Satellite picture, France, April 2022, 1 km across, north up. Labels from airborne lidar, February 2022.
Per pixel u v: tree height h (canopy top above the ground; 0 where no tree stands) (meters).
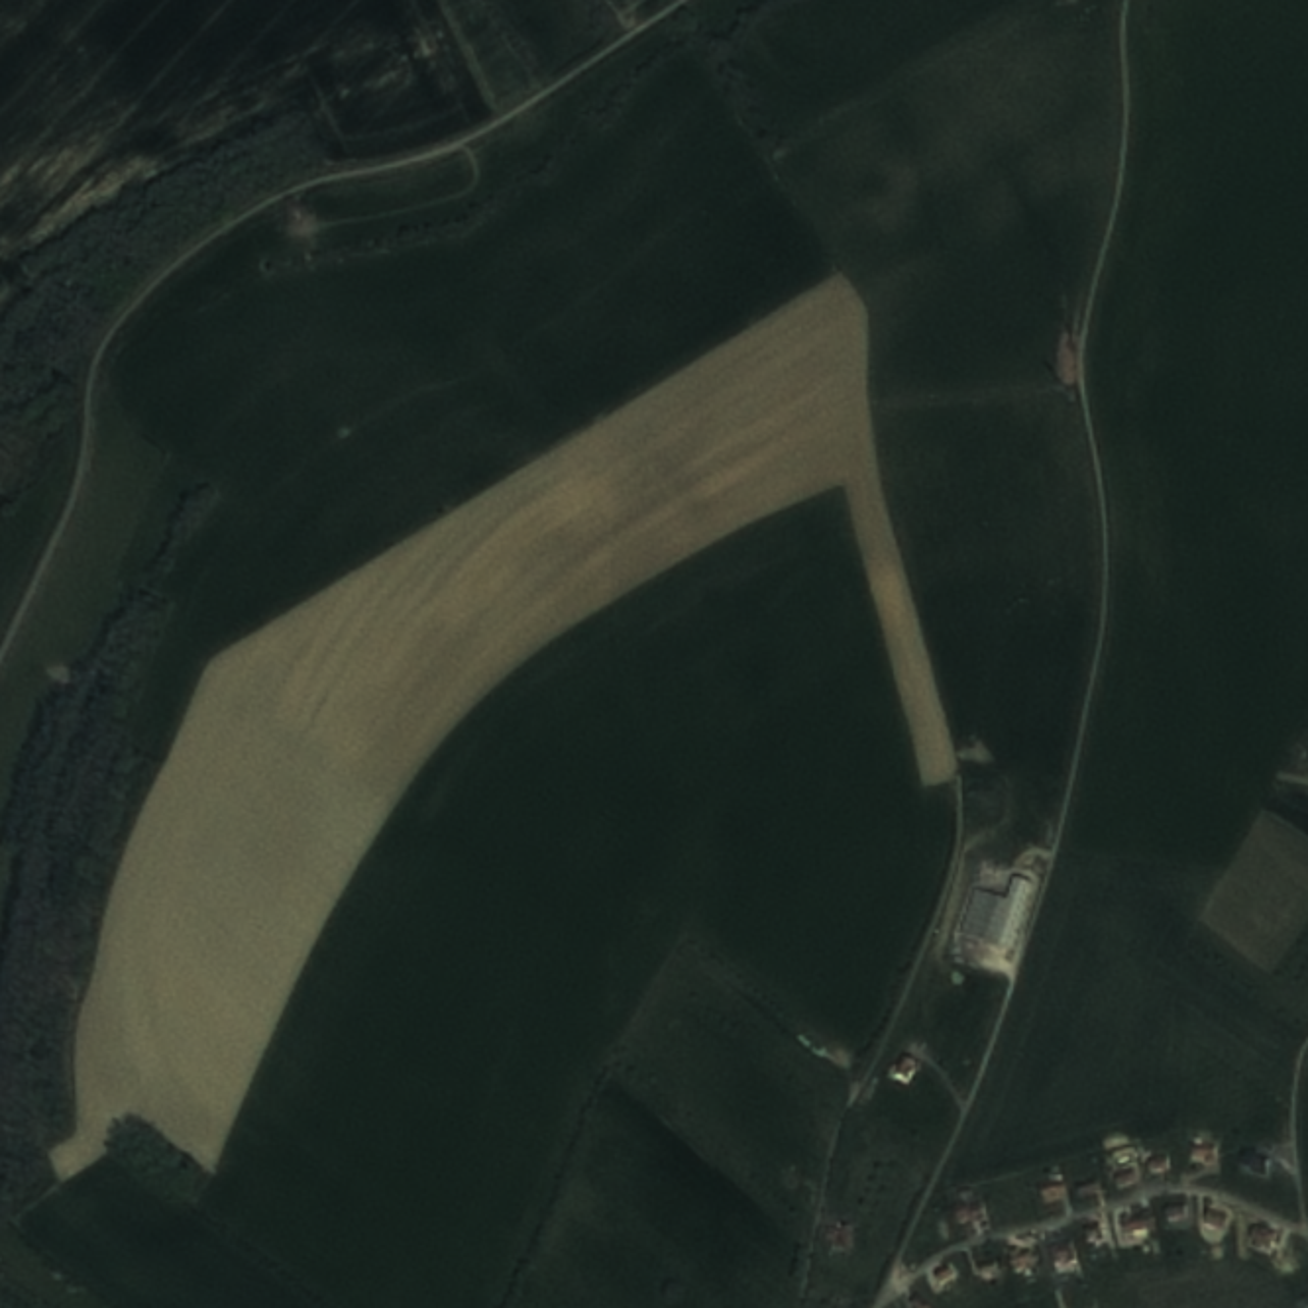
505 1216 0
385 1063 0
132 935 0
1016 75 0
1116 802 0
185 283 0
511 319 0
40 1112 22
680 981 0
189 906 0
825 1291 0
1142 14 0
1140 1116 0
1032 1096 0
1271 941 0
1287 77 0
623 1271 0
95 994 0
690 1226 0
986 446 0
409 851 0
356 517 0
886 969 0
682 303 0
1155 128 0
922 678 0
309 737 0
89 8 0
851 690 0
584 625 0
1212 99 0
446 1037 0
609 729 0
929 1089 0
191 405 0
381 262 0
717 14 0
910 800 0
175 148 0
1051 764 0
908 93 0
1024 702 0
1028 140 0
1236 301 0
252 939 0
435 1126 0
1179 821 0
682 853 0
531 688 0
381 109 0
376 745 0
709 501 0
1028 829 0
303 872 0
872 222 0
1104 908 0
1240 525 0
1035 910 0
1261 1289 0
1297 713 0
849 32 0
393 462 0
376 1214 0
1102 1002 0
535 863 0
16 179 0
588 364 0
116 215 8
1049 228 0
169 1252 0
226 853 0
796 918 0
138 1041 0
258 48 0
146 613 15
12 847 15
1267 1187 0
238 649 0
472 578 0
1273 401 0
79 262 12
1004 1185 0
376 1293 0
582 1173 0
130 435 0
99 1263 0
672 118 0
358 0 0
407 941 0
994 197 0
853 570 0
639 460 0
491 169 0
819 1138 0
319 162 23
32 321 20
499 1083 0
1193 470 0
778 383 0
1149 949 0
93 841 25
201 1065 0
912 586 0
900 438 0
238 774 0
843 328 0
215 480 0
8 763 0
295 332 0
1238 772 0
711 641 0
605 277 0
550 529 0
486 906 0
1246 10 0
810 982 0
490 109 0
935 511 0
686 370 0
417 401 0
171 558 10
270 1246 0
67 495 0
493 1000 0
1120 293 0
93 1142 0
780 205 0
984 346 0
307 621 0
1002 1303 0
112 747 25
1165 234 0
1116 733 0
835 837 0
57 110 0
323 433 0
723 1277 0
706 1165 0
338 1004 0
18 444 31
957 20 0
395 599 0
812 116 0
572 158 0
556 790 0
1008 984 0
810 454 0
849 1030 0
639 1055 0
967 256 0
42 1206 0
